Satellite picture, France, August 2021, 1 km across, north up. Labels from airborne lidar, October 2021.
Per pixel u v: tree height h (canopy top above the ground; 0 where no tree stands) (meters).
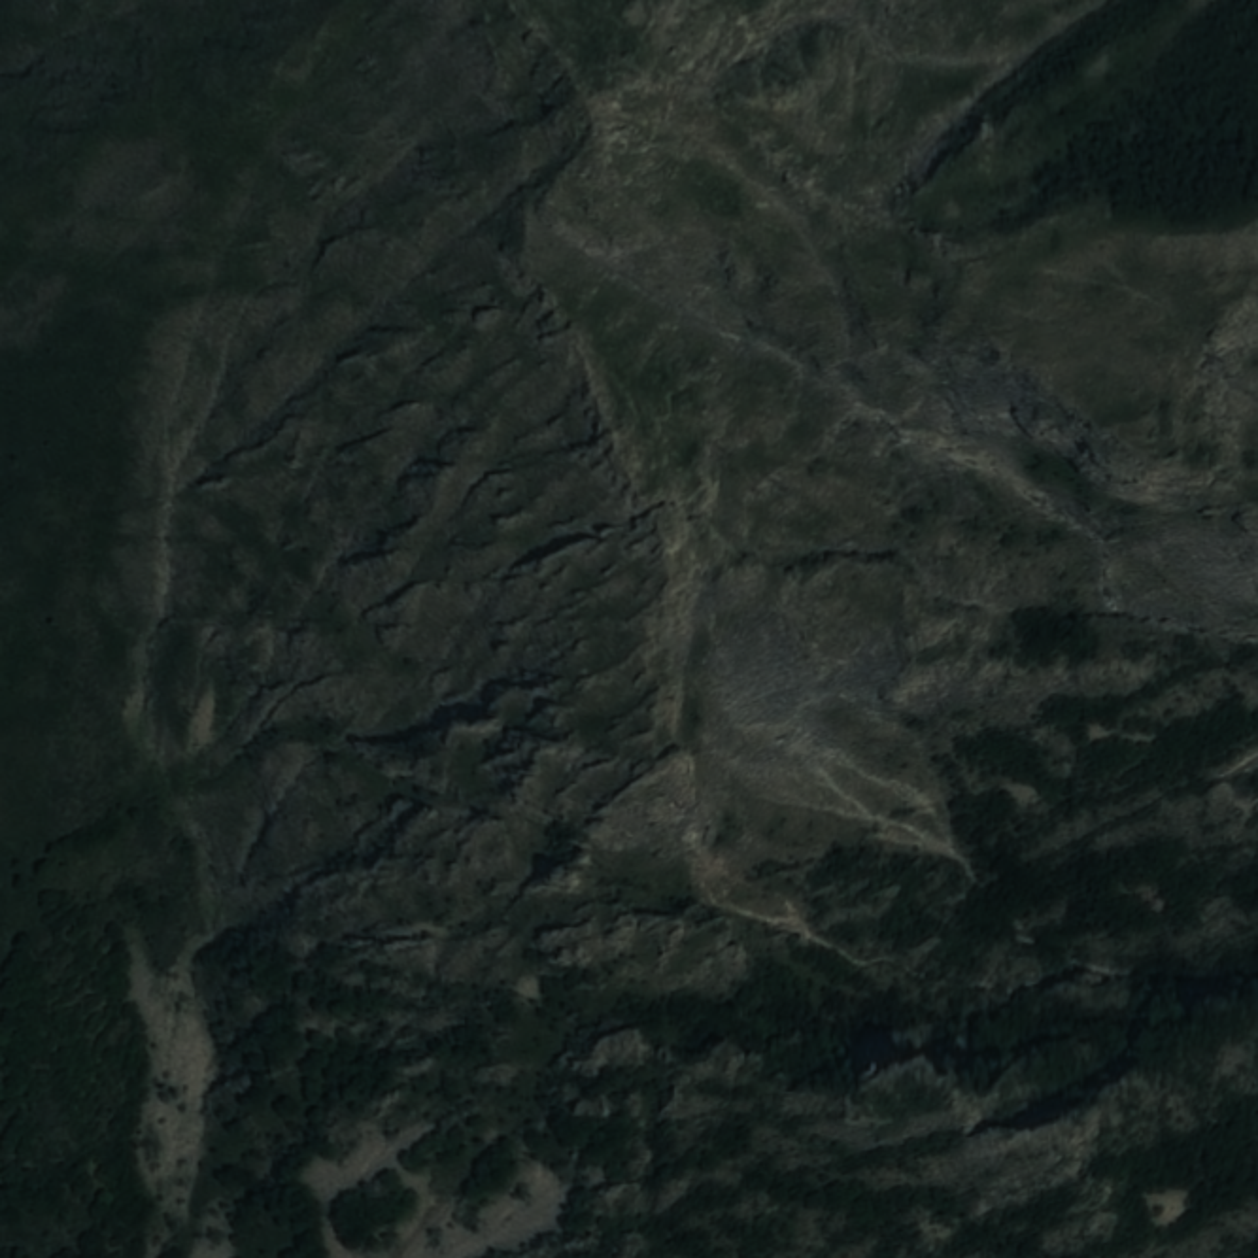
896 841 0
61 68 0
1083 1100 8
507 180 0
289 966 7
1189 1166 17
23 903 0
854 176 0
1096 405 0
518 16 0
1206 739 13
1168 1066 8
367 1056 14
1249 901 11
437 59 0
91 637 0
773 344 0
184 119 0
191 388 0
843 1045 25
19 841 0
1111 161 7
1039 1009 6
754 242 0
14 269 0
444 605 0
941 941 8
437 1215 0
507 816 0
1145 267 0
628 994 8
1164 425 0
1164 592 0
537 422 0
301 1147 11
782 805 0
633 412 0
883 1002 12
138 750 0
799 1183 7
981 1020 24
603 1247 8
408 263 0
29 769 0
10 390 0
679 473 0
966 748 10
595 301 0
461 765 0
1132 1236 13
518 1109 7
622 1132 10
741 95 0
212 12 0
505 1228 0
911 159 0
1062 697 12
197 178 0
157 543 0
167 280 0
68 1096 8
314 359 0
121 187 0
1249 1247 10
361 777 0
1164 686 8
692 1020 9
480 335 0
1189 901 9
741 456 0
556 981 10
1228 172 9
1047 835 13
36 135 0
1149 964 15
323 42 0
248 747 7
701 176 0
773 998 10
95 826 6
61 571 0
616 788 0
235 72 0
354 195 0
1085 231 0
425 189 0
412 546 0
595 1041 7
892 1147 16
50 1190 12
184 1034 0
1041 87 7
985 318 0
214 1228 6
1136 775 14
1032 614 9
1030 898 11
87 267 0
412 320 0
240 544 0
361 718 0
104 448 0
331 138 0
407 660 6
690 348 0
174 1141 0
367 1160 0
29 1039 13
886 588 0
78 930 10
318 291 0
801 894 5
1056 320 0
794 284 0
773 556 0
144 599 0
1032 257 0
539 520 0
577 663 0
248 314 0
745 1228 13
